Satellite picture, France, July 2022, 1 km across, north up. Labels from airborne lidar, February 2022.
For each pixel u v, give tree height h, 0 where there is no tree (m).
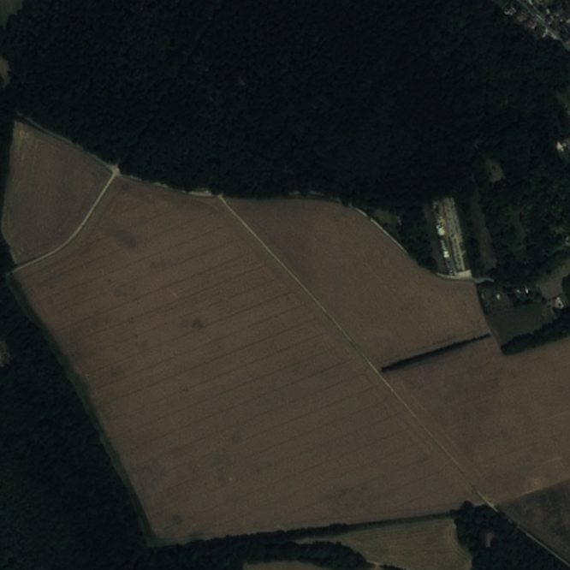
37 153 0
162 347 0
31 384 24
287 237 0
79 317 0
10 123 16
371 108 28
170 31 27
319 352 0
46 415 12
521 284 15
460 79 21
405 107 27
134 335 0
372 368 0
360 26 24
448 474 0
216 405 0
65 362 0
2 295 23
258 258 0
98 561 24
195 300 0
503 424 0
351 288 0
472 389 0
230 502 0
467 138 24
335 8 26
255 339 0
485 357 0
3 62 0
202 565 26
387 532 0
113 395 0
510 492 0
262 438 0
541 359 0
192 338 0
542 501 0
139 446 0
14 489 23
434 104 26
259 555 24
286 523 0
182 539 0
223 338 0
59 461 28
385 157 28
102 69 25
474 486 0
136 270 0
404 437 0
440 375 0
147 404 0
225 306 0
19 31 24
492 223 19
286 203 0
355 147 26
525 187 22
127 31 26
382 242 0
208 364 0
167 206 0
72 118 20
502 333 0
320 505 0
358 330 0
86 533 27
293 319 0
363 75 26
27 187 0
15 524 19
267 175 21
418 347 0
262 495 0
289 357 0
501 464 0
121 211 0
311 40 27
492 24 20
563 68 22
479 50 13
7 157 14
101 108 24
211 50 27
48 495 24
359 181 21
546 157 25
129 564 23
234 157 25
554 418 0
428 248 16
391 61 27
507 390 0
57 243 0
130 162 20
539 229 23
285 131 29
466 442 0
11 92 19
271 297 0
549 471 0
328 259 0
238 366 0
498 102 22
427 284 0
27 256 0
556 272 0
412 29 21
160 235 0
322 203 0
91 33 23
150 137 23
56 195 0
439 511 0
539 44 9
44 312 0
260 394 0
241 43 27
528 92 21
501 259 15
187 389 0
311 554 16
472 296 0
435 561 0
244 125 26
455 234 0
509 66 21
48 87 23
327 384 0
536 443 0
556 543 0
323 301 0
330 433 0
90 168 0
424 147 25
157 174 19
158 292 0
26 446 22
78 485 27
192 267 0
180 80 26
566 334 13
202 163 25
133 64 26
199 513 0
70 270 0
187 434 0
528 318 0
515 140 25
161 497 0
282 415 0
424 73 22
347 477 0
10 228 0
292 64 23
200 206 0
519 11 8
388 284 0
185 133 27
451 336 0
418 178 25
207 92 27
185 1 27
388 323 0
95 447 20
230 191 17
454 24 19
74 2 22
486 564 21
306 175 25
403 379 0
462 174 20
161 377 0
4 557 20
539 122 24
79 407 21
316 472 0
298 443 0
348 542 0
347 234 0
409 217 15
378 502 0
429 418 0
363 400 0
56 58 26
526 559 18
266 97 25
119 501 25
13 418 26
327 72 26
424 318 0
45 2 25
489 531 10
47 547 21
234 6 25
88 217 0
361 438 0
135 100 25
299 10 25
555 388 0
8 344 22
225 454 0
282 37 26
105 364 0
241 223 0
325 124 28
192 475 0
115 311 0
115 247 0
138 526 15
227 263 0
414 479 0
